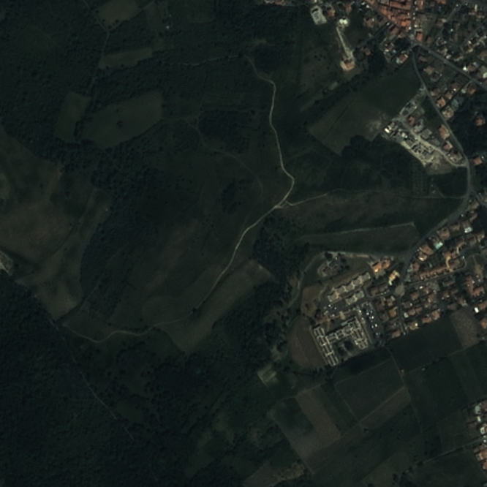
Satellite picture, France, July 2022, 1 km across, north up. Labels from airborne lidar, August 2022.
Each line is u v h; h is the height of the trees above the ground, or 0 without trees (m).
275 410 0
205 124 9
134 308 0
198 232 0
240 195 0
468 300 11
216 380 6
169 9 8
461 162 0
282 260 8
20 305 12
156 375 11
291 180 0
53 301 0
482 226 11
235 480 9
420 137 0
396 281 9
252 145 0
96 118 0
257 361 11
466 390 0
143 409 9
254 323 15
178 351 6
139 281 0
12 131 8
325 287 0
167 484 13
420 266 7
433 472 0
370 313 0
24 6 8
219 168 0
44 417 11
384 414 0
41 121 9
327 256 18
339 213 0
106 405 7
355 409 0
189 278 0
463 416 0
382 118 0
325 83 0
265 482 0
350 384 0
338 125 0
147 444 16
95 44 5
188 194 0
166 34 8
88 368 9
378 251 0
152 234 11
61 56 6
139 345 11
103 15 0
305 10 8
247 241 0
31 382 17
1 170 0
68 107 0
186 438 15
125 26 8
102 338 0
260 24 10
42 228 0
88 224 0
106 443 10
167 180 0
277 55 7
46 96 5
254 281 0
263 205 0
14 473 11
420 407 0
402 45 9
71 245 0
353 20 0
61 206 0
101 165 14
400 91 0
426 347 0
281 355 0
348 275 0
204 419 8
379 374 0
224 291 0
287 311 11
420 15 0
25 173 0
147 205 0
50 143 9
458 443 0
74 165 22
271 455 7
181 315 0
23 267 0
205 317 0
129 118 0
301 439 0
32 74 13
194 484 10
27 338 14
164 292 0
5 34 7
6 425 19
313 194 0
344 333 0
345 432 0
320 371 9
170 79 8
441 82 0
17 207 0
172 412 13
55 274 0
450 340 0
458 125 16
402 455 0
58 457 8
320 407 0
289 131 6
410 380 0
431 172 0
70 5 7
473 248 0
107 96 7
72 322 0
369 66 8
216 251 0
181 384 15
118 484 18
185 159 0
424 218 0
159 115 0
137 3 0
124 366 12
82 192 0
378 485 0
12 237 0
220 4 11
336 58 0
